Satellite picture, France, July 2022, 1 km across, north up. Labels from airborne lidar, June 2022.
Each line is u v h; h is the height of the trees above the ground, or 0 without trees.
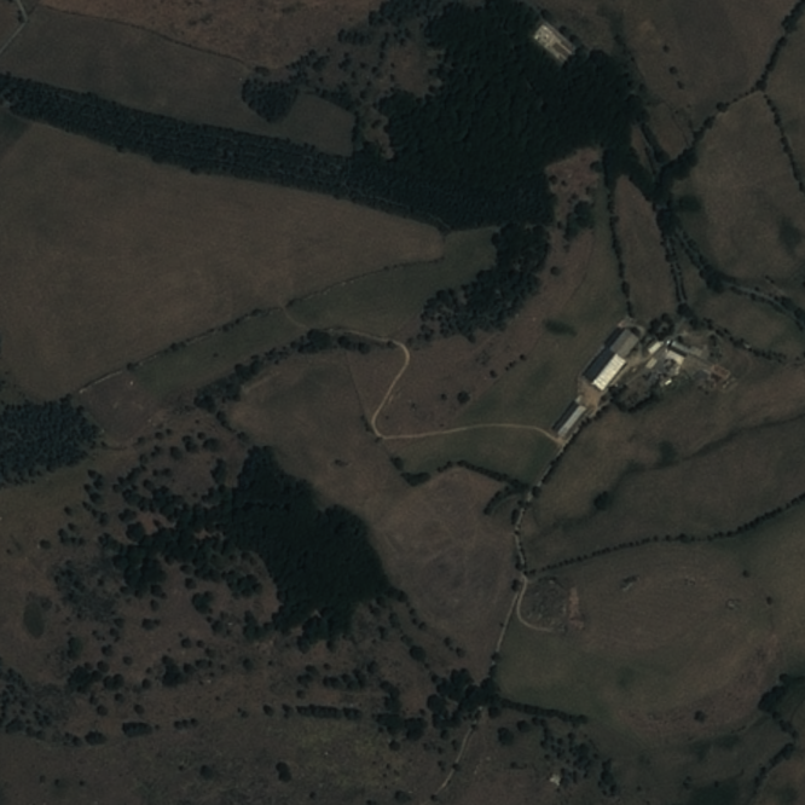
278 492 25
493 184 17
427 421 0
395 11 13
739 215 0
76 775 0
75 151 0
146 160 0
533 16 8
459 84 21
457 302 16
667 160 19
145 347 0
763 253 0
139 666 0
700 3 0
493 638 0
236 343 0
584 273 0
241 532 18
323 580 25
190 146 14
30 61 0
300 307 0
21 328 0
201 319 0
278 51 0
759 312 0
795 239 0
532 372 0
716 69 0
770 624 0
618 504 0
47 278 0
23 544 0
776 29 0
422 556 0
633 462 0
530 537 0
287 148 16
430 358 0
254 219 0
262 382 0
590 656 0
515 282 18
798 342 0
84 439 11
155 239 0
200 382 0
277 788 0
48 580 0
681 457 0
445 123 19
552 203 17
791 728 16
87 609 0
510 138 20
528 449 0
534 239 6
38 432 13
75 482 0
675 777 0
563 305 0
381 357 0
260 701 0
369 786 0
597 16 0
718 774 0
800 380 0
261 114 14
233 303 0
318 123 0
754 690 0
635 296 0
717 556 0
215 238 0
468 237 0
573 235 11
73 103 11
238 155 16
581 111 22
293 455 0
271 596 0
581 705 0
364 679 14
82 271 0
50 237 0
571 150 16
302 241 0
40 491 0
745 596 0
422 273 0
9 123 0
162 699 0
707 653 0
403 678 0
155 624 9
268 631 14
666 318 8
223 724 0
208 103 0
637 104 25
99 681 12
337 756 0
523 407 0
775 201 0
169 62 0
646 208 0
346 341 16
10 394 0
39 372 0
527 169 17
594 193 8
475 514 0
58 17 0
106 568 0
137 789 0
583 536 0
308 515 26
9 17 0
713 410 0
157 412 0
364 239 0
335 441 0
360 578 26
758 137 0
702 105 0
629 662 0
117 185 0
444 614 0
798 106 0
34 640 0
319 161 15
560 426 0
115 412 0
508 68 20
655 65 0
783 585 0
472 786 0
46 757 0
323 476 0
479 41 17
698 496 0
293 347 10
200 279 0
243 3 0
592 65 15
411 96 10
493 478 9
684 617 0
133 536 20
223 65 0
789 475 0
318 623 21
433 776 0
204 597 9
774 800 0
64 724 0
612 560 0
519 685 0
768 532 0
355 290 0
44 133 0
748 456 0
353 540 22
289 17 0
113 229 0
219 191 0
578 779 11
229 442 0
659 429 0
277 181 9
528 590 0
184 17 0
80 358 0
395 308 0
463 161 21
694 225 0
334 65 0
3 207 0
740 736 0
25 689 11
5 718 11
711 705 0
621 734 0
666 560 0
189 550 11
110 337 0
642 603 0
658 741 0
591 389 0
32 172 0
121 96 0
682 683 0
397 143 15
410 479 12
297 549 22
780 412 0
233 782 0
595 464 0
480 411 0
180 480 0
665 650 0
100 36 0
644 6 0
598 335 0
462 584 0
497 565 0
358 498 0
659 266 0
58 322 0
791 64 0
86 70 0
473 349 0
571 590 0
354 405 0
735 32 0
